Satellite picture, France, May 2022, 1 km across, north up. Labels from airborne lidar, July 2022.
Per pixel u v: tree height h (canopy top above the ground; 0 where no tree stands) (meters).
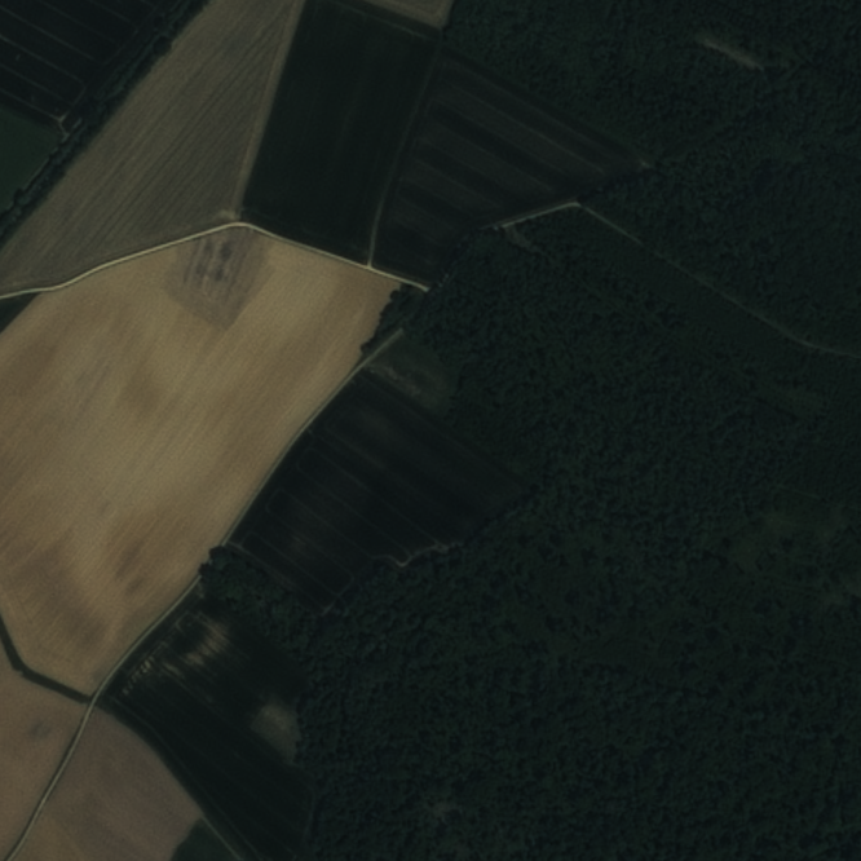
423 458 0
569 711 27
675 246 19
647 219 26
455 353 22
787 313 17
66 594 0
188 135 0
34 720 0
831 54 20
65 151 12
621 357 5
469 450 0
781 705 6
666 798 21
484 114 0
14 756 0
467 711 25
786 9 25
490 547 25
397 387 0
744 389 10
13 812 0
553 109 0
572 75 19
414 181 0
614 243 15
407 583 17
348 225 0
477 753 22
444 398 0
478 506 0
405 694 28
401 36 0
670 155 16
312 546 0
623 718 27
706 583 27
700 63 23
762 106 24
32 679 0
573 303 17
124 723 0
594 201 17
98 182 0
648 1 26
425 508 0
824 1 19
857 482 9
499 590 29
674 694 19
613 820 24
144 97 0
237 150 0
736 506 14
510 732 25
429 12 0
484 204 0
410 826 15
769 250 30
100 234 0
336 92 0
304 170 0
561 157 0
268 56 0
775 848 26
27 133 0
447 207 0
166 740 0
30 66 0
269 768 0
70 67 0
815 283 30
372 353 10
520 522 18
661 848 24
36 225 0
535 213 0
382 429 0
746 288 23
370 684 23
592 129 0
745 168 22
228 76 0
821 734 22
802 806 7
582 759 9
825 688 22
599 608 5
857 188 32
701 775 21
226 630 0
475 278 25
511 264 22
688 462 21
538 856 19
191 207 0
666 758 21
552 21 26
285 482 0
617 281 19
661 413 19
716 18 25
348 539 0
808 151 25
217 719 0
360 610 25
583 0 24
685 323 17
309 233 0
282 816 0
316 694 9
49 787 0
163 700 0
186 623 0
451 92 0
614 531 18
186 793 0
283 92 0
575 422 6
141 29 0
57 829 0
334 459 0
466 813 27
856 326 9
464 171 0
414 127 0
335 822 18
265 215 0
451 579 18
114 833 0
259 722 0
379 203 0
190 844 0
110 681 0
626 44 26
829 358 9
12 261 0
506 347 23
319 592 0
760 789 21
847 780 6
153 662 0
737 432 24
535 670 7
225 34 0
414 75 0
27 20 0
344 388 0
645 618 27
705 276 18
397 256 0
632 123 7
